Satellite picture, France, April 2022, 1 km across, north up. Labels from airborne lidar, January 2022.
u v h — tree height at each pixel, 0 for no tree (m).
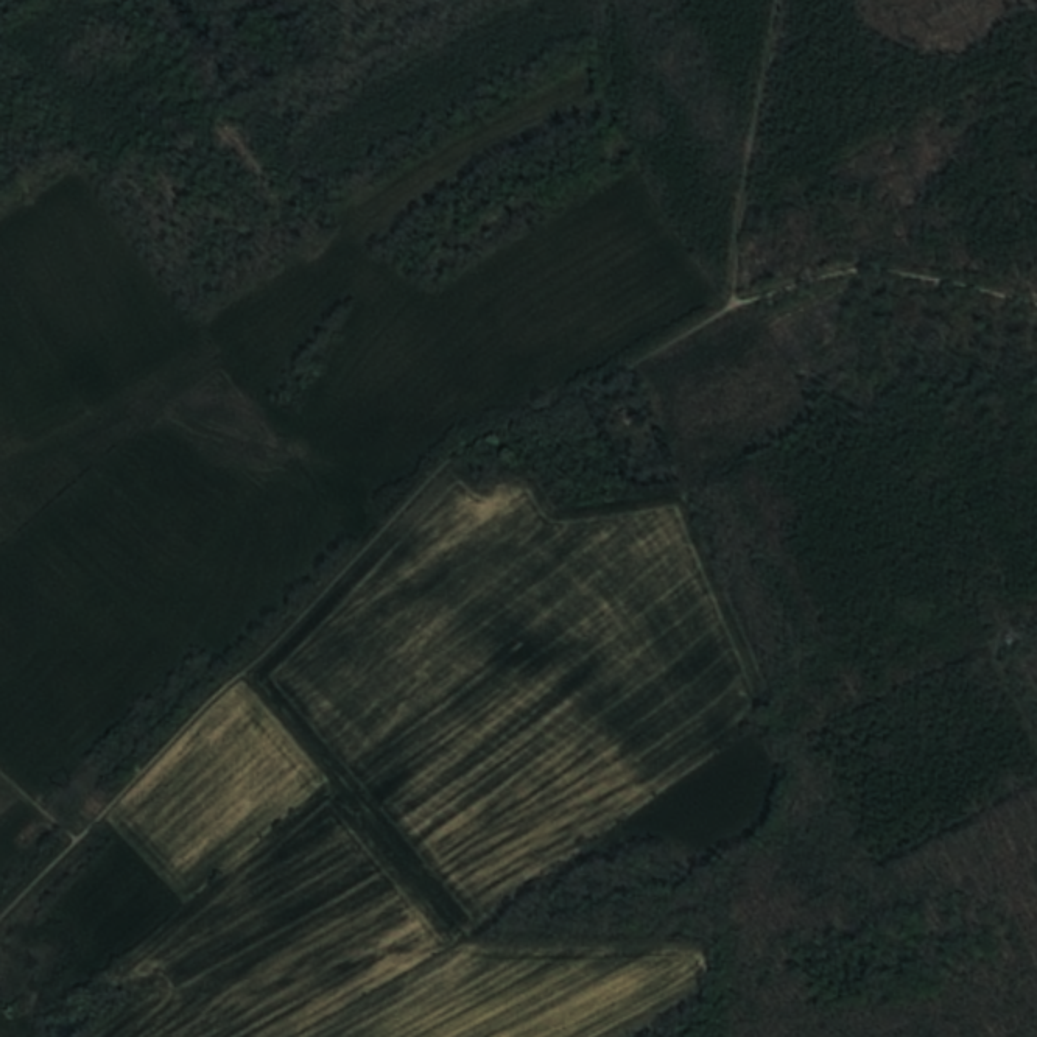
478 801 0
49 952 0
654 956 0
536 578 0
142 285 0
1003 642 0
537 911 22
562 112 0
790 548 13
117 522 0
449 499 0
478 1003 0
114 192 20
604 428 18
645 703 0
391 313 0
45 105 16
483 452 12
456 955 0
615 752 0
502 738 0
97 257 0
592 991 0
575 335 0
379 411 0
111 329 0
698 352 0
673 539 0
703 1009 20
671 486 15
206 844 0
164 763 0
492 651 0
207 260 19
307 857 0
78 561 0
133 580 0
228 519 0
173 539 0
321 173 11
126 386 0
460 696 0
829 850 20
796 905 19
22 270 0
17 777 0
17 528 0
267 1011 0
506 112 15
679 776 0
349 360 0
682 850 0
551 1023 0
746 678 0
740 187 10
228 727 0
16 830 0
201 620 0
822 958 19
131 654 0
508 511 0
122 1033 0
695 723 0
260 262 22
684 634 0
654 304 0
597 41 19
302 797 0
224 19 23
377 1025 0
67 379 0
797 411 0
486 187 28
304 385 11
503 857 0
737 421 0
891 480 17
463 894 0
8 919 0
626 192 0
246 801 0
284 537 0
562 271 0
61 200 0
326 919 0
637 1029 0
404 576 0
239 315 0
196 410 0
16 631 0
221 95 24
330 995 0
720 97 16
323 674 0
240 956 0
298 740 0
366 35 20
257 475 0
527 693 0
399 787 0
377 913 0
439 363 0
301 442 0
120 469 0
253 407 0
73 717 0
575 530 0
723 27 14
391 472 0
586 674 0
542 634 0
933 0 0
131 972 0
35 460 0
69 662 0
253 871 0
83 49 14
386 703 0
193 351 0
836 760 17
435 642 0
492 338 0
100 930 0
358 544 14
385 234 0
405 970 0
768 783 0
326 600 0
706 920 25
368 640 0
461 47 9
